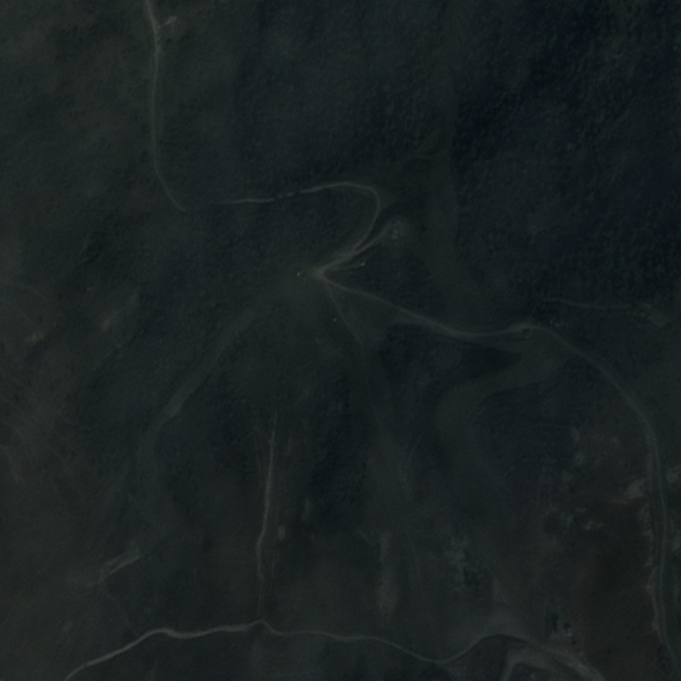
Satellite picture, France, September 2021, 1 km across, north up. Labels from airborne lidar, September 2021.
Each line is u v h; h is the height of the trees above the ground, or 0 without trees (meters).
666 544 0
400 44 7
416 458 0
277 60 7
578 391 0
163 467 0
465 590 0
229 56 7
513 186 8
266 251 10
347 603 0
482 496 0
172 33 0
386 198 0
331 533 0
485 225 0
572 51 9
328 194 6
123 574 0
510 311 0
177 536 0
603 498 0
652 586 0
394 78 7
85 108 0
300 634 0
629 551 0
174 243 9
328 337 0
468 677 0
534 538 0
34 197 0
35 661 0
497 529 0
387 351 0
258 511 0
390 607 0
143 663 0
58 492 0
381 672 0
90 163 7
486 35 7
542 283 8
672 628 0
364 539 0
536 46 6
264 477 0
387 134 11
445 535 0
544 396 0
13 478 0
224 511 0
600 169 5
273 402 0
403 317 0
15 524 0
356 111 9
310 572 0
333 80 9
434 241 0
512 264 9
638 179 6
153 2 0
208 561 0
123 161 0
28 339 0
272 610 0
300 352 0
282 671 0
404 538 0
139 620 0
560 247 6
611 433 0
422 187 0
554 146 8
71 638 0
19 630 0
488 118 10
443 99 0
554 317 10
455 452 0
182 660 0
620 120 10
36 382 0
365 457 0
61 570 0
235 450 0
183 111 15
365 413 0
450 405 0
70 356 0
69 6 0
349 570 0
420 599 0
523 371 0
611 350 0
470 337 0
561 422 0
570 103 7
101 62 0
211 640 0
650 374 0
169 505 0
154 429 0
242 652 0
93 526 0
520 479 0
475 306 0
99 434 6
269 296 0
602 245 18
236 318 0
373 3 10
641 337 0
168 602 0
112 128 0
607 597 0
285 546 0
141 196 0
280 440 0
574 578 0
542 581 0
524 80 0
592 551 0
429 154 0
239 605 0
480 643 0
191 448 0
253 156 8
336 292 0
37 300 0
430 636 0
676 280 13
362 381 0
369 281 11
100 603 0
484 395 0
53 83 0
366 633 0
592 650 0
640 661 0
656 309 0
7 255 0
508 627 0
